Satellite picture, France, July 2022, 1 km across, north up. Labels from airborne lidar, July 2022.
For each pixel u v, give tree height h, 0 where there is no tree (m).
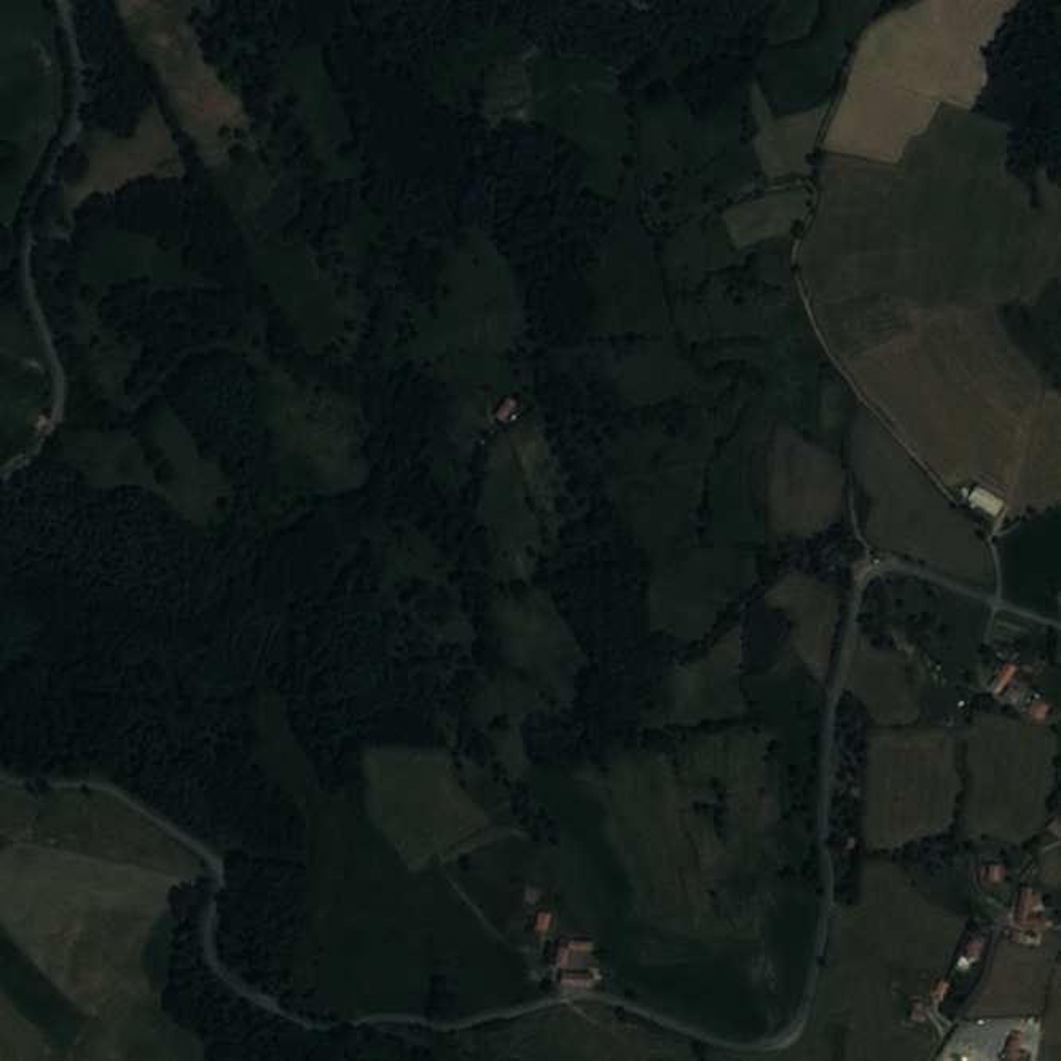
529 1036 0
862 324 0
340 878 0
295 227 16
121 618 11
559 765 32
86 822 0
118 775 13
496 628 27
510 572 0
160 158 0
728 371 8
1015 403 0
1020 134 6
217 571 14
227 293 14
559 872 0
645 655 15
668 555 0
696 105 20
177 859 0
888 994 0
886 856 9
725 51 8
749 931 0
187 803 26
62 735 16
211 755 15
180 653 6
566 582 19
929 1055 0
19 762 17
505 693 0
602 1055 0
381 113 15
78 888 0
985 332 0
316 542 20
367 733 16
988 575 0
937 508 0
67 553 26
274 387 0
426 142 20
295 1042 25
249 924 31
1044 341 0
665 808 0
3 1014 0
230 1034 25
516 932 0
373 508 22
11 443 0
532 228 31
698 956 0
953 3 0
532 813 20
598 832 0
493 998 0
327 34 16
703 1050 14
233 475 28
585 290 13
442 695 12
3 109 0
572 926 0
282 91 26
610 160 0
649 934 0
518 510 0
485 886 0
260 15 23
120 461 0
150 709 17
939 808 0
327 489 0
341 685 24
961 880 0
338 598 25
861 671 0
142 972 0
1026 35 14
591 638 21
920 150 0
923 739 0
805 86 0
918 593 0
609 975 0
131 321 25
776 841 0
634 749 19
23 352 0
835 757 0
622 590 14
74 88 14
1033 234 0
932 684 0
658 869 0
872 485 0
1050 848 0
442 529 18
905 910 0
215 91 0
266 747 0
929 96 0
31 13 0
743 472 0
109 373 0
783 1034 0
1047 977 0
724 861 0
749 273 9
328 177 0
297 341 17
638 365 0
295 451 0
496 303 0
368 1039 21
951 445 0
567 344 12
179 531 24
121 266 0
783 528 0
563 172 32
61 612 6
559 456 11
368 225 0
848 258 0
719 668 0
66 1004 0
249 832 26
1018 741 0
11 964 0
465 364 0
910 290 0
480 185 28
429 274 14
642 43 19
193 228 11
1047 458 0
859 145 0
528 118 0
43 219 21
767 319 0
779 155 0
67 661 8
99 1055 0
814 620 0
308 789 0
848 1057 0
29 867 0
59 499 27
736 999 0
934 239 0
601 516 17
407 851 0
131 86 24
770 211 0
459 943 0
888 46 0
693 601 0
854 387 0
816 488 0
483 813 0
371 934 0
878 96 0
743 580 0
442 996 18
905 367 0
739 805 0
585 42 19
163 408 16
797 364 0
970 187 0
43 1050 0
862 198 0
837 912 0
